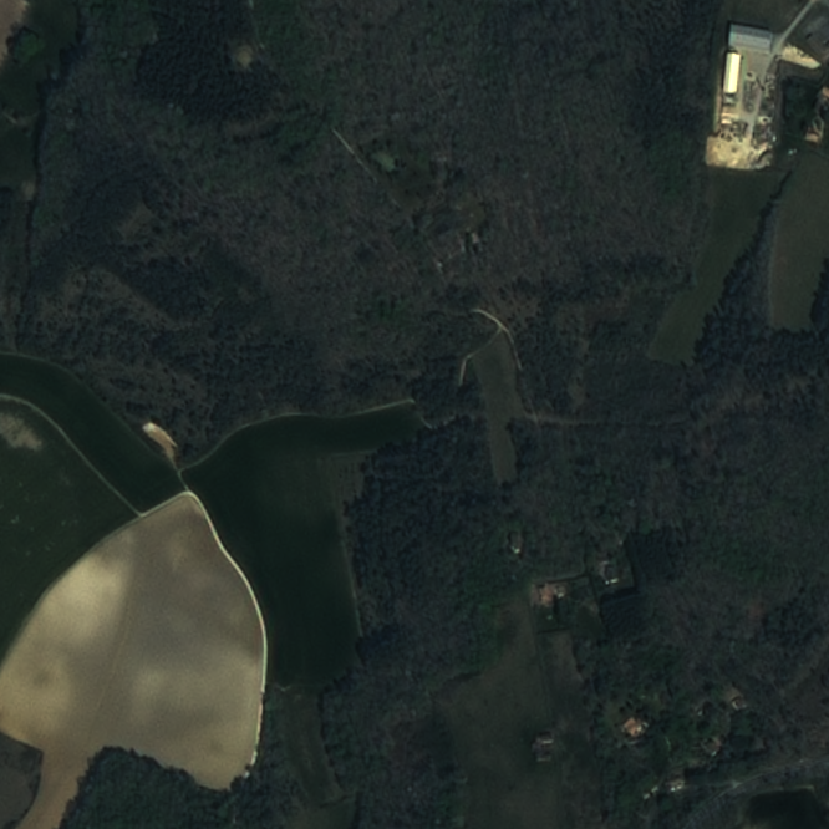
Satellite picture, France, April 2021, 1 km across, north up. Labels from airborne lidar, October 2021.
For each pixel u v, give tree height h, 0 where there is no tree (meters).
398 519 22
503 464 0
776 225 15
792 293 0
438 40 23
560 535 16
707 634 17
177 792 22
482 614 22
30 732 0
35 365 0
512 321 8
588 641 10
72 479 0
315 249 14
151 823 19
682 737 19
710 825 26
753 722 15
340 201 15
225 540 0
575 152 21
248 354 14
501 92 14
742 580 20
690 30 22
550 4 18
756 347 17
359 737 17
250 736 0
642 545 14
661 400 9
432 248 14
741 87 0
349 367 18
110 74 18
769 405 16
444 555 22
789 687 16
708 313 0
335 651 0
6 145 0
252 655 0
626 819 16
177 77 14
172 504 0
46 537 0
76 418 0
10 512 0
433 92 14
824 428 18
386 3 21
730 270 0
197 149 15
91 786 17
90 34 24
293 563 0
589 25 19
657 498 19
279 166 13
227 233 13
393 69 17
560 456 21
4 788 0
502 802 0
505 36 25
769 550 21
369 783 23
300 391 14
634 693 13
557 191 19
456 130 13
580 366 9
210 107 13
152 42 18
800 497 23
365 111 18
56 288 22
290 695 0
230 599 0
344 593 0
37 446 0
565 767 0
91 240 21
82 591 0
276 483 0
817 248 0
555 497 18
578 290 18
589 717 7
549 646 0
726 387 18
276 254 12
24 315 7
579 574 13
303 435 0
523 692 0
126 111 20
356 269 16
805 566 22
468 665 18
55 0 0
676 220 19
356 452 0
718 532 16
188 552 0
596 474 21
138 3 25
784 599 16
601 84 25
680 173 25
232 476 0
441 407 17
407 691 22
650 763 9
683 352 0
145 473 0
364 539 18
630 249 19
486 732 0
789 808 0
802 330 0
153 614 0
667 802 17
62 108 25
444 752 6
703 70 19
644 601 15
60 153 22
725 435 18
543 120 23
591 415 7
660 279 20
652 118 19
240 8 15
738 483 23
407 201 0
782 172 0
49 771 0
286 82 16
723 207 0
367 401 22
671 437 10
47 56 0
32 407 0
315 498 0
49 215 18
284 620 0
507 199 18
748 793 15
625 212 17
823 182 0
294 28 10
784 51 0
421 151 12
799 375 18
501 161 17
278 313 17
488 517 22
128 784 23
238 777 0
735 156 0
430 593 20
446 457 13
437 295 14
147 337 6
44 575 0
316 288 15
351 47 17
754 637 16
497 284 15
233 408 13
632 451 12
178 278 21
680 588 19
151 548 0
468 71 17
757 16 0
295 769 0
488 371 0
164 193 15
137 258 19
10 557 0
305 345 13
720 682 17
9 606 0
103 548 0
